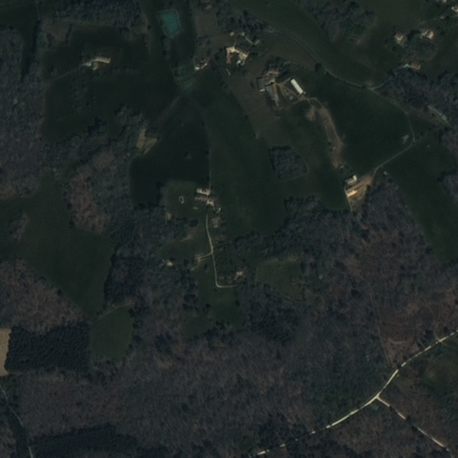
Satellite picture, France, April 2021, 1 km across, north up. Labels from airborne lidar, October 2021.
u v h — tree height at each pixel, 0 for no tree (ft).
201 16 0
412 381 37
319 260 58
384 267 53
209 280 0
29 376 59
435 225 0
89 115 0
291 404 58
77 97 24
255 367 38
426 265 70
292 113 0
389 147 0
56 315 29
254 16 0
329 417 50
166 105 0
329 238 57
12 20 0
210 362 66
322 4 67
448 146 55
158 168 0
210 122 0
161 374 70
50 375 59
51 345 69
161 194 67
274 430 50
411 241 22
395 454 45
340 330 69
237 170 0
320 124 0
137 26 20
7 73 62
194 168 0
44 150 29
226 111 0
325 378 70
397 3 0
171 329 27
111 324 0
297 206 52
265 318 54
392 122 0
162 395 46
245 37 19
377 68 0
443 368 0
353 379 71
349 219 74
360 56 0
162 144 0
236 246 37
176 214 0
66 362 70
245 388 77
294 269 0
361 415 60
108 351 0
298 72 0
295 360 38
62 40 0
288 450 55
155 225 35
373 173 0
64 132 0
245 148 0
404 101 63
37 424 30
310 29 0
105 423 26
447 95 71
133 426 24
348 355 67
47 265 0
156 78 0
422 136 42
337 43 0
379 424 60
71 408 41
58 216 0
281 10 0
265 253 60
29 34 0
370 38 0
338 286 46
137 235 44
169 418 51
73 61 0
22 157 35
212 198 0
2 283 41
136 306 24
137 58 0
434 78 0
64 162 41
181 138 0
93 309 0
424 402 18
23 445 51
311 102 0
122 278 69
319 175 0
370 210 48
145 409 56
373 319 77
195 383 68
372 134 0
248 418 50
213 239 0
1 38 58
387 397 34
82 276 0
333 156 0
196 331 0
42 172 36
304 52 0
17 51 44
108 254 0
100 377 54
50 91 0
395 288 56
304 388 68
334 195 0
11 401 35
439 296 34
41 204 0
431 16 0
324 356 57
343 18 57
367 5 0
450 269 58
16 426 46
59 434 27
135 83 0
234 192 0
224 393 18
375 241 40
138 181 0
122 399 23
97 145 0
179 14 0
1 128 41
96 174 58
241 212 0
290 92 0
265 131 0
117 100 0
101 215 64
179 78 48
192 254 0
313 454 44
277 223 0
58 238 0
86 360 75
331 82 0
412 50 64
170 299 69
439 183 31
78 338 67
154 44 0
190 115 0
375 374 76
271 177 0
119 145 73
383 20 0
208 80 0
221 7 46
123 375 43
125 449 52
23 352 72
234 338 64
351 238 37
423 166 0
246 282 33
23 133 32
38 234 0
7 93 61
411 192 0
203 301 0
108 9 63
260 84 0
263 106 0
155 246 50
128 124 53
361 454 29
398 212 64
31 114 41
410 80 64
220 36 0
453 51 0
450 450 23
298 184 0
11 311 38
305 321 61
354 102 0
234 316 0
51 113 0
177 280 50
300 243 40
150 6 0
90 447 55
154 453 50
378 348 51
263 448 52
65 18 37
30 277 30
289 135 0
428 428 21
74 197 47
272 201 0
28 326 26
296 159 39
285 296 23
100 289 0
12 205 0
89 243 0
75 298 0
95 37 0
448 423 31
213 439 56
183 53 0
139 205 0
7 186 76
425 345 58
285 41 0
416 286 63
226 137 0
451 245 0
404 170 0
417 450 41
